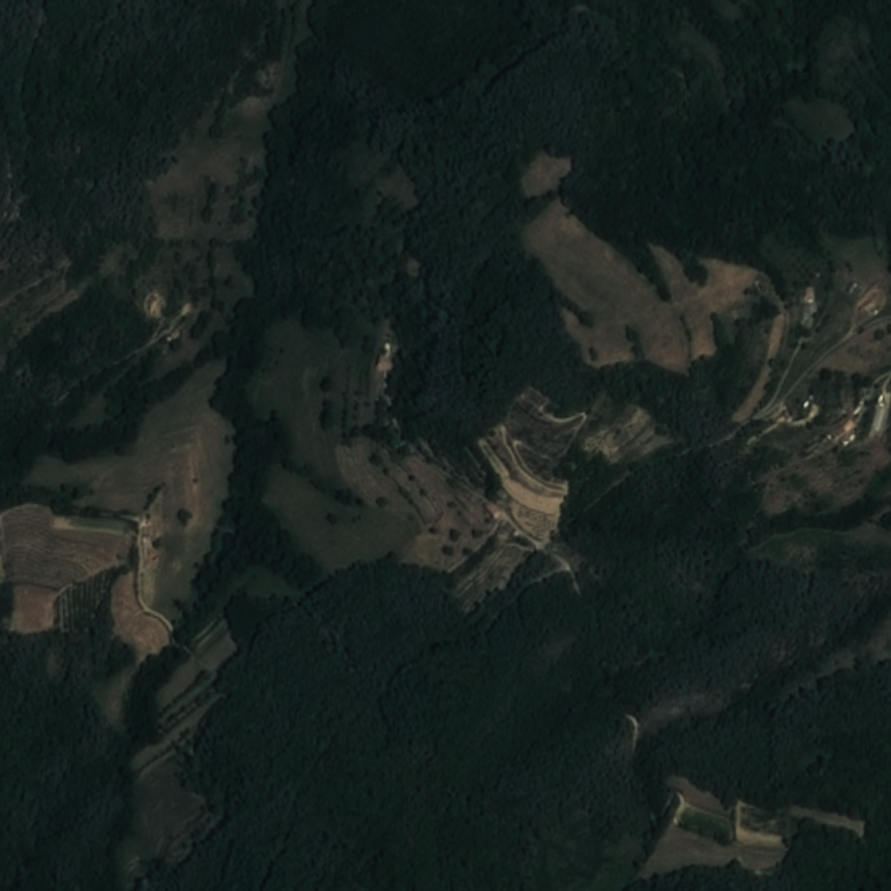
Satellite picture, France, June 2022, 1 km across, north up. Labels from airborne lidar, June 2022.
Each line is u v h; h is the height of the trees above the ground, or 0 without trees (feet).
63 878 56
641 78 39
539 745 76
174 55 37
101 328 42
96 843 46
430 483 0
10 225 25
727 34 43
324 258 60
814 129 0
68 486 39
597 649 36
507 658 40
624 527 47
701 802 0
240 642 46
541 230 0
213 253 33
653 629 89
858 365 0
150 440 0
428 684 80
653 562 42
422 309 77
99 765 60
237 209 39
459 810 60
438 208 56
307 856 58
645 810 24
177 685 0
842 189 57
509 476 0
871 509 35
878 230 61
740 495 23
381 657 56
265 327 26
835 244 0
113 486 0
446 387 72
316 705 66
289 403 0
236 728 53
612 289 0
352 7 18
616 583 31
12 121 77
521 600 39
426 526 0
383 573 54
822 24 27
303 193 54
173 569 0
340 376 0
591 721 68
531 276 63
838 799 58
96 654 36
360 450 0
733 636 36
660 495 25
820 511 32
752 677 35
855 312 0
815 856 39
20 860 54
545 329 57
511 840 38
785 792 65
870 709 61
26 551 0
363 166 0
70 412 38
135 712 31
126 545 0
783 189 61
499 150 63
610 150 55
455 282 63
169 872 44
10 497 35
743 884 64
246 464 83
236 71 31
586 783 53
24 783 52
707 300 0
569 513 32
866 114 38
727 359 26
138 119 51
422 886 61
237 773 34
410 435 43
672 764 38
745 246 32
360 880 26
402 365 35
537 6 65
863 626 61
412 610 48
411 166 46
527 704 53
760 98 36
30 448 79
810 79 38
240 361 73
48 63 61
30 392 27
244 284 0
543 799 62
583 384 52
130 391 40
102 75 43
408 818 44
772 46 47
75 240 36
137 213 56
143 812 0
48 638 46
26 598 0
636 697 37
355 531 0
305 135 36
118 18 21
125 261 22
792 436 0
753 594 48
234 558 55
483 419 46
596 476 40
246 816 62
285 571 49
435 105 91
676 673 47
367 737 45
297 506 0
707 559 33
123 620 0
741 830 0
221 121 45
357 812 40
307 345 0
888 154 48
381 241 29
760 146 56
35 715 50
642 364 23
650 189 47
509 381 45
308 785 53
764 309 34
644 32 36
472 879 46
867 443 0
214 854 64
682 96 37
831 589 48
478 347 29
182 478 0
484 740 29
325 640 64
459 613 57
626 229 52
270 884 93
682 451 31
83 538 0
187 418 0
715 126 40
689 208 49
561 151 41
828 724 64
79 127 43
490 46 22
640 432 0
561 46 61
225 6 28
